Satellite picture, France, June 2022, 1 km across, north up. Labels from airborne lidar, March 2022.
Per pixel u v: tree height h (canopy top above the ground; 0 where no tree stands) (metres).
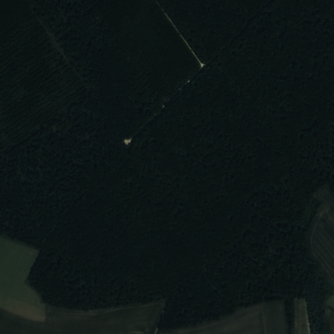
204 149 24
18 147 0
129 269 22
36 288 16
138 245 19
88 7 0
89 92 0
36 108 0
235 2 0
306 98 0
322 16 0
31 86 0
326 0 0
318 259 0
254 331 0
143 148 21
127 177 22
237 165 25
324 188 0
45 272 28
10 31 0
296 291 17
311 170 0
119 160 19
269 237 0
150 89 19
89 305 23
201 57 18
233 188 24
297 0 25
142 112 26
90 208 20
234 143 24
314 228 0
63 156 0
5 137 0
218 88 23
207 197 23
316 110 0
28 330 0
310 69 25
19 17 0
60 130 0
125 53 16
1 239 0
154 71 0
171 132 20
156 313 0
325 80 0
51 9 0
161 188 23
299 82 25
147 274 22
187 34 22
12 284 0
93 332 0
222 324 0
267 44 24
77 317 0
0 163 25
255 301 21
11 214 0
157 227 19
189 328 0
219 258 21
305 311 0
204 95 22
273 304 0
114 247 22
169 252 20
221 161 19
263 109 0
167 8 18
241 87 23
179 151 0
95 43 19
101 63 21
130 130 20
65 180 23
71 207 22
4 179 23
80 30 20
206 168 27
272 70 25
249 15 0
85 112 0
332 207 0
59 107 0
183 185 22
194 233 18
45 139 0
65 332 0
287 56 23
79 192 18
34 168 23
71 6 0
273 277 0
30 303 0
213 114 24
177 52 0
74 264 21
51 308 0
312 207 0
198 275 18
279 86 24
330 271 0
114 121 20
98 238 18
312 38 21
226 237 19
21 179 0
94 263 21
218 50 21
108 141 0
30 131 0
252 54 22
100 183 21
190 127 25
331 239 0
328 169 0
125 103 19
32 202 0
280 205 0
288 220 0
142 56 0
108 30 21
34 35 0
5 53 0
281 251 0
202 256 23
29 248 0
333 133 0
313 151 0
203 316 20
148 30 7
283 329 0
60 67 0
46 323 0
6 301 0
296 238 0
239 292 17
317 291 9
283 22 0
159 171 24
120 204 20
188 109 22
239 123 22
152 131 18
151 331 0
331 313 0
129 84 22
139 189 23
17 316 0
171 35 0
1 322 0
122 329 0
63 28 0
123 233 21
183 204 26
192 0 23
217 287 18
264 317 0
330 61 0
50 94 0
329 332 0
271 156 20
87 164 21
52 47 0
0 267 0
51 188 0
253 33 24
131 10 0
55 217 20
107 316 0
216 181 23
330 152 0
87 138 0
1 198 17
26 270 0
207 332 0
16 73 0
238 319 0
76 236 20
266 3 0
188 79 0
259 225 23
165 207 24
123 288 23
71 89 0
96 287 27
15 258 0
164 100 0
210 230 20
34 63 0
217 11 22
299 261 22
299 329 0
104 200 22
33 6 0
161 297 18
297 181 17
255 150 22
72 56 19
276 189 0
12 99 0
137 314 0
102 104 19
